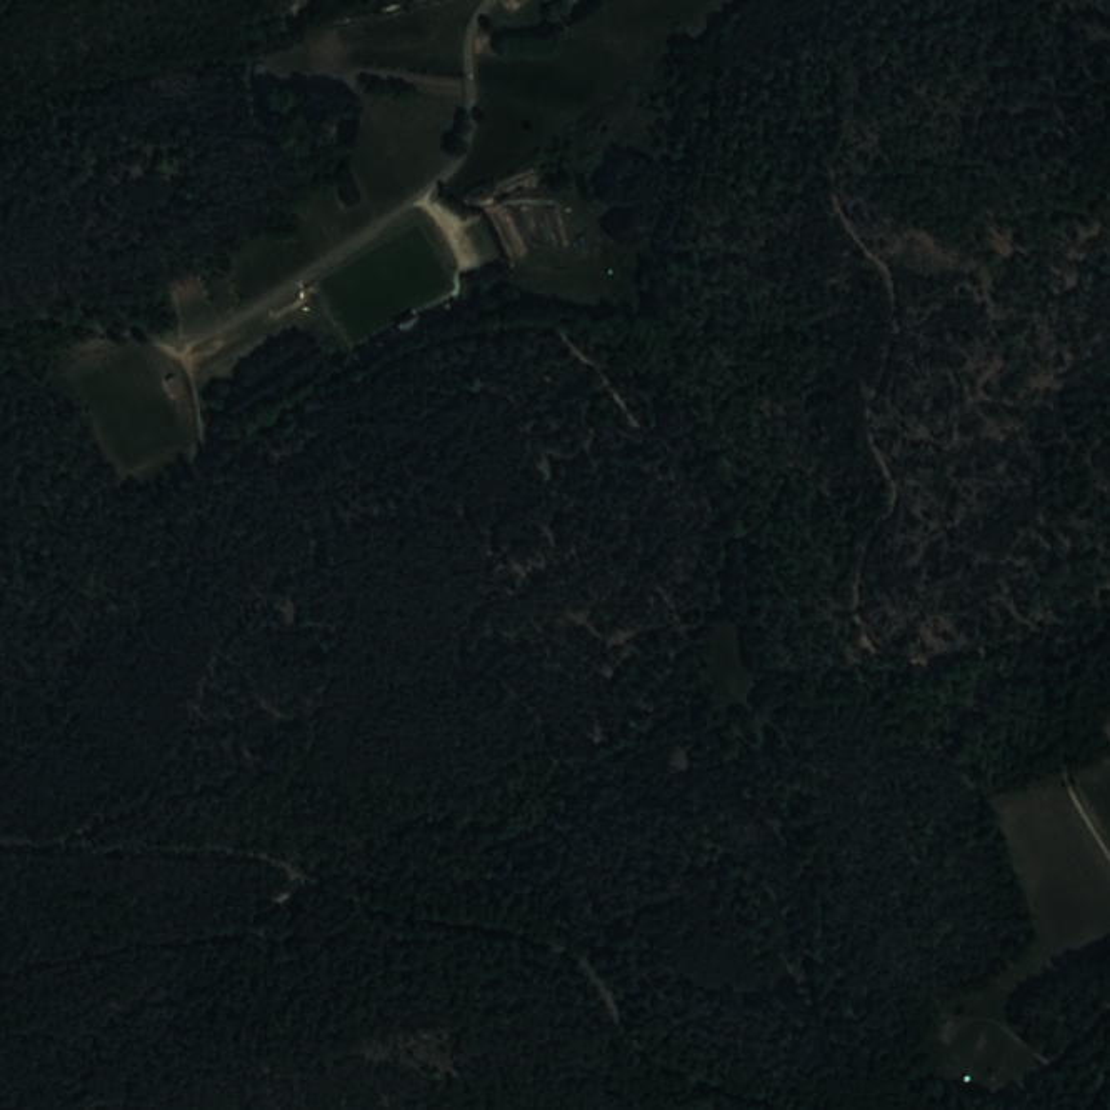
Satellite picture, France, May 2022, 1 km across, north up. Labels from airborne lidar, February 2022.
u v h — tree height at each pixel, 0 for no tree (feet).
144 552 89
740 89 22
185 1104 68
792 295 76
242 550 87
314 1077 64
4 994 77
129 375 0
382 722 74
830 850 100
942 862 81
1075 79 66
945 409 75
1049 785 0
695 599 83
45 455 102
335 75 0
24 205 78
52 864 66
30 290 81
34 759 60
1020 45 81
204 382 0
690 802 71
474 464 68
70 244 87
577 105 0
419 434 40
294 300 0
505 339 65
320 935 87
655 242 78
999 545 32
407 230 0
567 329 78
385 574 92
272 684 71
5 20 65
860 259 65
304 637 43
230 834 72
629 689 33
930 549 20
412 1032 72
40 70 66
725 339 96
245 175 94
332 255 0
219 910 61
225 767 73
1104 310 40
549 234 0
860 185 74
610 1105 69
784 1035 84
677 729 31
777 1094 87
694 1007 97
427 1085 52
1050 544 88
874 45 93
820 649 84
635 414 37
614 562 90
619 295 0
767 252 32
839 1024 107
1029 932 85
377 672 71
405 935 82
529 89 0
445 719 90
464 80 0
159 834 68
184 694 62
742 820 103
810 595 88
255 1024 74
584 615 111
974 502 89
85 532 77
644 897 79
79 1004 73
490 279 48
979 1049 0
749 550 32
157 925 70
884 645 78
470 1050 69
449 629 75
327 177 66
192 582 83
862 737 69
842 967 87
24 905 62
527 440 54
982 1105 87
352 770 69
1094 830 0
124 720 64
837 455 28
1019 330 67
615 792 105
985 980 61
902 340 26
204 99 92
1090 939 0
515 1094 62
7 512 81
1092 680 75
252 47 90
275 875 73
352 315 0
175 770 76
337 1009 88
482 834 89
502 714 66
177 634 62
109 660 69
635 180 97
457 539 77
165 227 85
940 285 31
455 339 58
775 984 23
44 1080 73
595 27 0
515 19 0
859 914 81
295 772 53
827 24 22
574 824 107
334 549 62
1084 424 30
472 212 31
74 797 71
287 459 101
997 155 29
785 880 88
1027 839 0
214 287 0
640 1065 81
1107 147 86
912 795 82
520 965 71
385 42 0
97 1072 73
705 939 33
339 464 79
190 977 56
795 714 75
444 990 72
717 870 31
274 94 105
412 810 76
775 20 55
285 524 94
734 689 0
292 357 60
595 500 89
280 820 74
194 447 0
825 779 68
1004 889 89
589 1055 80
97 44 74
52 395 89
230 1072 69
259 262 0
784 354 82
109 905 63
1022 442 21
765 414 95
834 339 29
